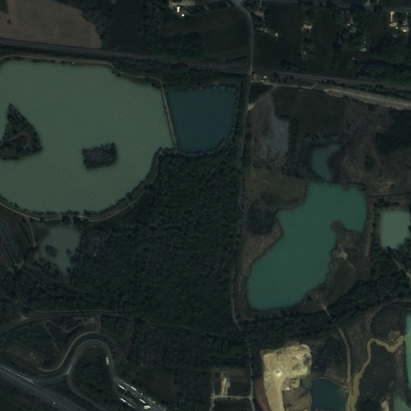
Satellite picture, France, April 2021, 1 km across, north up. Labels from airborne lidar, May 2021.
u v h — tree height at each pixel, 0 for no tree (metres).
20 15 0
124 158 0
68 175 0
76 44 0
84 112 0
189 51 27
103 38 17
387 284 12
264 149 0
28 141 0
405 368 8
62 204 0
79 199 0
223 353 22
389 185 0
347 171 0
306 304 0
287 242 0
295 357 0
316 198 0
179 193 20
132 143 0
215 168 15
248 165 19
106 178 0
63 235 0
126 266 27
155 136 0
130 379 12
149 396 0
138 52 6
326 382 0
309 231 0
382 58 22
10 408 0
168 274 21
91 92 0
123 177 0
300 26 0
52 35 0
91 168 13
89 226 15
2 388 0
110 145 10
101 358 9
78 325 6
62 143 0
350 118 0
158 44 27
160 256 24
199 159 18
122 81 0
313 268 0
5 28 0
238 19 0
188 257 20
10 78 0
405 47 24
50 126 0
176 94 0
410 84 21
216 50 0
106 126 0
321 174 0
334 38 0
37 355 0
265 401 0
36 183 0
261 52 0
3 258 0
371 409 12
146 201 0
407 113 15
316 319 9
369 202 0
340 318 18
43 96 0
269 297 0
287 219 0
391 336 0
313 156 0
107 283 23
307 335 9
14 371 0
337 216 0
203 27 0
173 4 0
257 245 0
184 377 12
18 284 18
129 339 7
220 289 16
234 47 0
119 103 0
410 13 0
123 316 15
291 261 0
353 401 0
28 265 16
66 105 0
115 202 0
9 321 9
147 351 8
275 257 0
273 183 0
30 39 0
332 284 0
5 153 12
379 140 11
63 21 0
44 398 0
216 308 17
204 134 0
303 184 0
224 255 12
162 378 0
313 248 0
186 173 20
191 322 17
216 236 20
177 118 0
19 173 0
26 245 0
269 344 15
